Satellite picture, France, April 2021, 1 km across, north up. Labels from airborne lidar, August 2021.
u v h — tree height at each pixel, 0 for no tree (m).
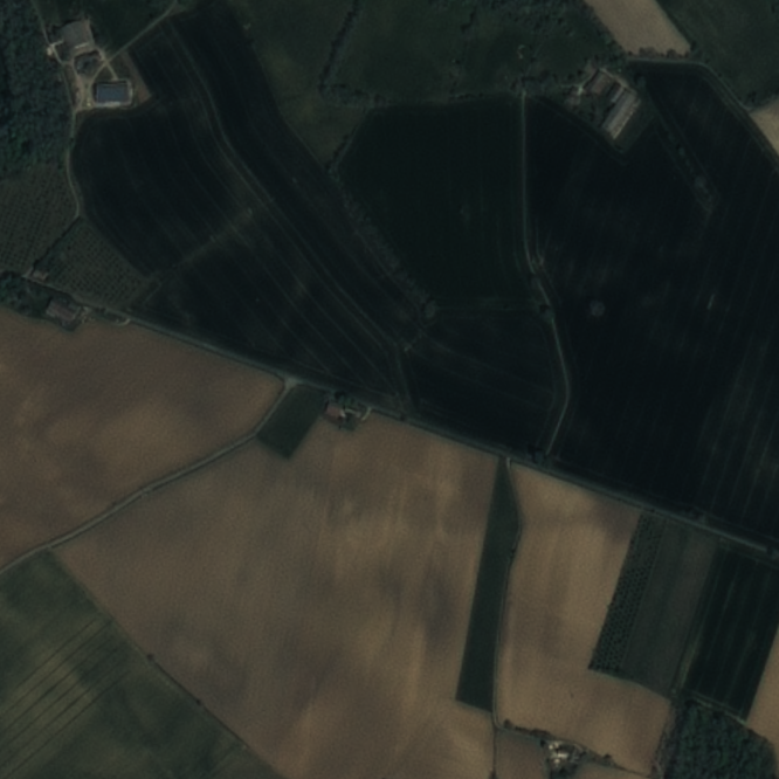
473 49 0
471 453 0
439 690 0
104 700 0
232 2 0
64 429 0
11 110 23
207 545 0
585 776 0
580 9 11
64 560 0
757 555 0
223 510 0
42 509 0
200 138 0
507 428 0
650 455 0
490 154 0
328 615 0
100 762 0
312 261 0
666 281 0
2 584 0
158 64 0
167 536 0
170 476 0
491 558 0
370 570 0
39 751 0
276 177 0
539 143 0
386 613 0
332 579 0
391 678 0
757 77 0
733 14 0
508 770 0
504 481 0
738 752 15
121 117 0
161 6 17
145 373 0
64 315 0
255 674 0
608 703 0
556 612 0
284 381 0
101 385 0
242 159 0
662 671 0
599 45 0
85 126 0
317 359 0
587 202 0
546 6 15
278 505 0
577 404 0
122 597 0
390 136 0
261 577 0
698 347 0
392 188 0
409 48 0
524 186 0
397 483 0
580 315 0
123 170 0
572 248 0
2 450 0
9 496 0
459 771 0
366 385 0
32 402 0
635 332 0
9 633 0
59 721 0
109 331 0
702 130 0
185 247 0
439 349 0
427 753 0
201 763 0
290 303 0
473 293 0
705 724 8
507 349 0
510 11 11
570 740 0
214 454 0
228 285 0
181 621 0
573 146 0
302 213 0
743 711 0
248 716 0
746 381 0
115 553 0
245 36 0
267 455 0
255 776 0
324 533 0
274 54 0
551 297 0
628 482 0
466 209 0
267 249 0
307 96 0
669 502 0
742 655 0
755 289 0
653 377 0
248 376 0
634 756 0
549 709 0
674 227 0
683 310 0
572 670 0
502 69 0
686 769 17
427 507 0
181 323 0
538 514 0
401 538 0
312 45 0
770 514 0
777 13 10
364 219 11
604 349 0
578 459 0
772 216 0
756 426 0
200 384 0
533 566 0
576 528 0
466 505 0
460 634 0
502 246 0
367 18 0
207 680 0
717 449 0
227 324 0
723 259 0
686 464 0
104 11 0
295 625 0
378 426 0
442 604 0
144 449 0
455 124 0
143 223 0
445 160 0
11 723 0
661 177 0
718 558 0
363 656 0
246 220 0
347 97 14
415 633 0
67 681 0
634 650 0
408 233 0
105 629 0
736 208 0
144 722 0
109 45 0
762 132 0
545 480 0
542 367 0
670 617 0
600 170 0
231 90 0
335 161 8
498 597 0
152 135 0
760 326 0
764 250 0
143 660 0
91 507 0
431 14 0
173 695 0
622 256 0
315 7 0
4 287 14
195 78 0
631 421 0
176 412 0
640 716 0
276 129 0
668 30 0
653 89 0
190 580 0
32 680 0
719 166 0
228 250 0
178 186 0
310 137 0
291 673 0
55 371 0
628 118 0
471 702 0
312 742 0
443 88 0
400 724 0
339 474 0
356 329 0
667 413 0
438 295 0
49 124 24
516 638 0
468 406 0
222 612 0
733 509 0
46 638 0
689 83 0
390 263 11
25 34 12
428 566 0
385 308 0
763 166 0
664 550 0
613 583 0
